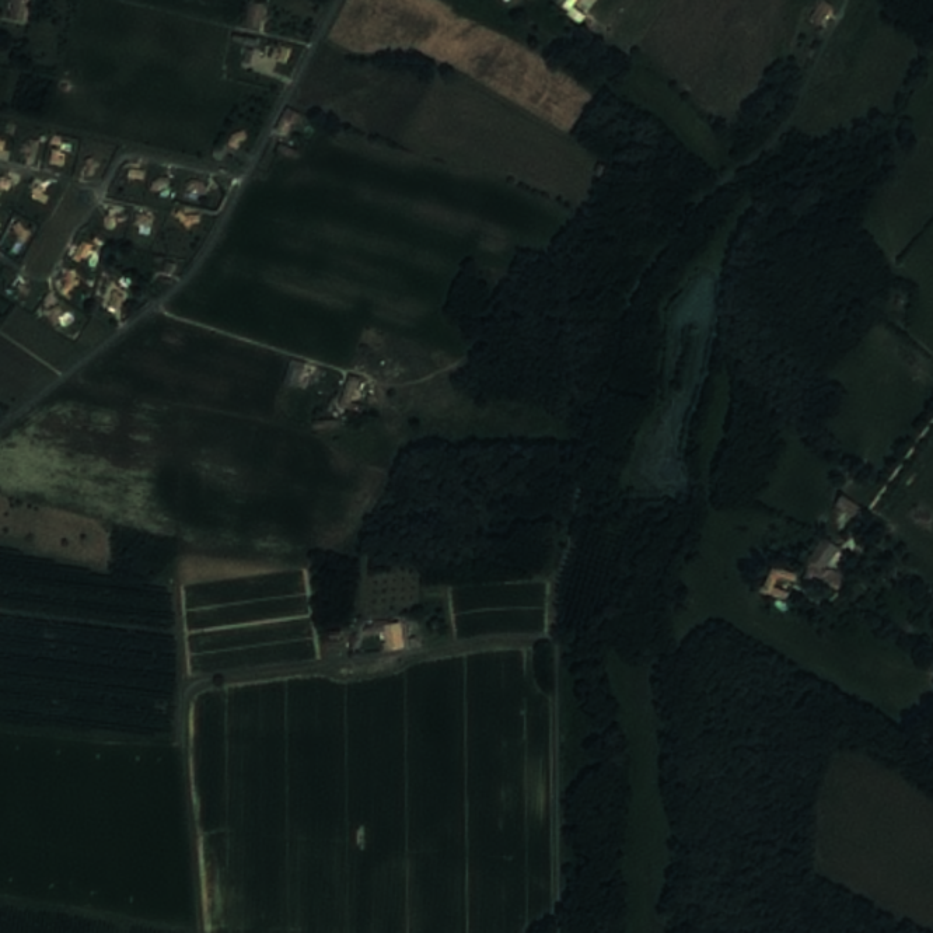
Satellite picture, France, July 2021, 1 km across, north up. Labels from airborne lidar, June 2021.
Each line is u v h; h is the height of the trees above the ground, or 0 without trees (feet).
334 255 0
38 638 19
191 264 0
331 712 0
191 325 0
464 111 0
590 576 70
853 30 0
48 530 0
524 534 66
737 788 62
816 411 84
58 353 0
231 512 0
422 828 0
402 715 0
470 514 75
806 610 25
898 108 50
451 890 0
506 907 0
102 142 0
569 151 0
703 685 61
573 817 49
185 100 0
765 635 0
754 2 0
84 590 20
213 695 0
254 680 0
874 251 57
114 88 0
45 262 0
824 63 0
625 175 70
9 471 0
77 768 0
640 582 73
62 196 0
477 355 61
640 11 0
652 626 72
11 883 0
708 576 0
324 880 0
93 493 0
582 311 50
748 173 37
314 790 0
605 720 69
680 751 86
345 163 0
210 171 0
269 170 0
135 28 0
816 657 0
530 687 0
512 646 0
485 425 0
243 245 0
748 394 67
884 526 39
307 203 0
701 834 74
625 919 63
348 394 0
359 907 0
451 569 52
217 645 0
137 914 0
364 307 0
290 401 0
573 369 61
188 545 0
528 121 0
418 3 0
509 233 0
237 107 24
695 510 57
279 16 28
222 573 0
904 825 0
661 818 0
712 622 34
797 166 62
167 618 24
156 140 0
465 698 0
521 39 0
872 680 0
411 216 0
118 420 0
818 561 0
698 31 0
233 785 0
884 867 0
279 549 0
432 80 55
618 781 64
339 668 0
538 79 0
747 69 0
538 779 0
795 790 55
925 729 82
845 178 55
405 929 0
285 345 0
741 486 75
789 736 44
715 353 30
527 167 0
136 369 0
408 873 0
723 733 65
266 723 0
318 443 0
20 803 0
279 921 0
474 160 0
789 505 0
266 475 0
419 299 0
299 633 0
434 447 81
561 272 71
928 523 0
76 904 0
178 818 0
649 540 39
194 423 0
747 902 69
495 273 0
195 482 0
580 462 58
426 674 0
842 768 0
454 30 0
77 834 0
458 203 0
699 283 0
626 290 34
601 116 64
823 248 82
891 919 57
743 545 0
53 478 0
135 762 0
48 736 0
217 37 0
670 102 0
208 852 0
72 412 0
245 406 0
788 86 46
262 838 0
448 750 0
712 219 56
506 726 0
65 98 0
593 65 77
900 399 0
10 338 0
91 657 25
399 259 0
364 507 0
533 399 60
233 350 0
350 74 0
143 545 29
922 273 0
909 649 24
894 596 0
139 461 0
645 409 66
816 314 67
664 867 0
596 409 58
